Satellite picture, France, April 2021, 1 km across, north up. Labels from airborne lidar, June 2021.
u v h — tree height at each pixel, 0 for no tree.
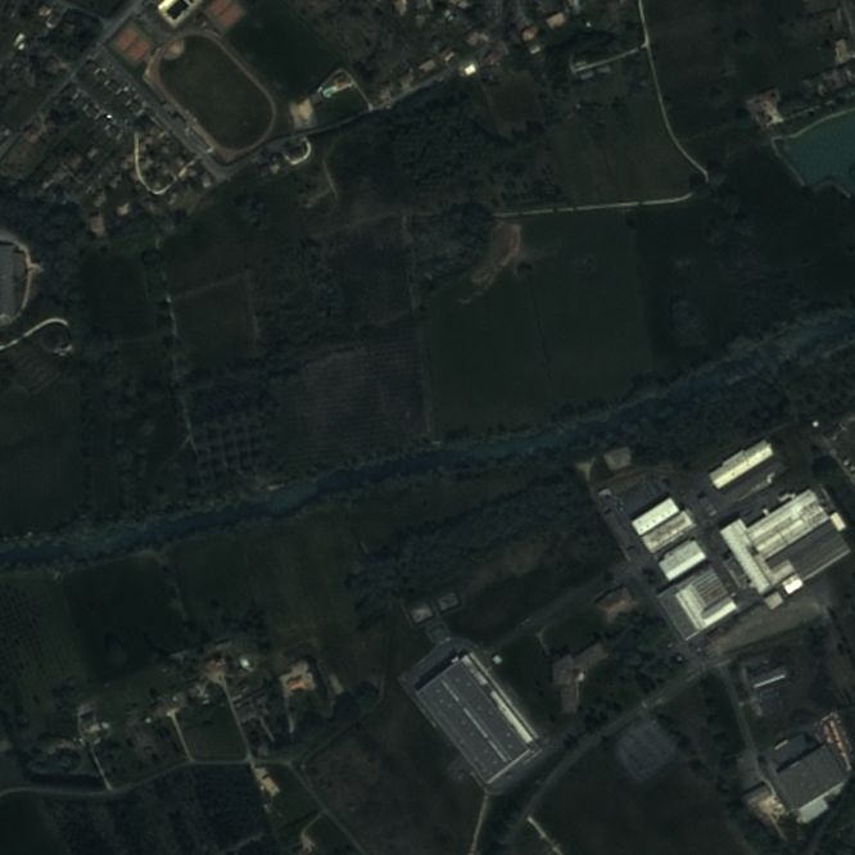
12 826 0
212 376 14
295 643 0
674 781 0
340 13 7
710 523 0
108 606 0
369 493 13
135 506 12
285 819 0
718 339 0
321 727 24
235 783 10
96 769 9
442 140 25
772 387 18
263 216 20
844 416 9
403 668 0
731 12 0
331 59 0
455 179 14
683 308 13
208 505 16
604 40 10
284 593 0
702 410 16
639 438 17
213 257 0
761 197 0
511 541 14
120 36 0
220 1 0
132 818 10
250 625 9
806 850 14
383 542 0
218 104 0
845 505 12
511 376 0
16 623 12
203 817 8
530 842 0
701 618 0
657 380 12
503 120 0
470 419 0
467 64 0
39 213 22
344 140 0
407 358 14
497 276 0
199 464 19
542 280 0
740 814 16
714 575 0
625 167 0
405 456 11
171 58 0
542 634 0
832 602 0
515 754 0
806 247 0
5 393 0
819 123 0
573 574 0
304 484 0
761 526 0
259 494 17
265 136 0
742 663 9
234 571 0
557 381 0
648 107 0
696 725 0
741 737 0
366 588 15
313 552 0
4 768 0
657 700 0
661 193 0
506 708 0
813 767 0
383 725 0
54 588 0
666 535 0
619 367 0
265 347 11
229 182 0
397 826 0
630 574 0
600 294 0
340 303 10
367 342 14
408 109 10
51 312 12
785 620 0
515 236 0
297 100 0
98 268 0
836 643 0
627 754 0
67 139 0
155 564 0
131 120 0
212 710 8
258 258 0
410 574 12
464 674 0
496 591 0
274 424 21
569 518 16
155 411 0
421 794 0
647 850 0
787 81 0
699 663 0
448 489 0
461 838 0
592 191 0
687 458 20
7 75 7
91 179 6
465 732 0
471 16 10
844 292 0
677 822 0
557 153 0
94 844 8
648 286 0
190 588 0
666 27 0
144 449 9
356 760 0
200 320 0
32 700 0
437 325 0
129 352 0
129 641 0
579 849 0
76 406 0
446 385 0
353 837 0
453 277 8
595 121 15
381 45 7
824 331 0
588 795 0
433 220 9
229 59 0
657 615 0
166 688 0
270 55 0
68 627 0
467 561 15
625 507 0
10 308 0
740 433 19
